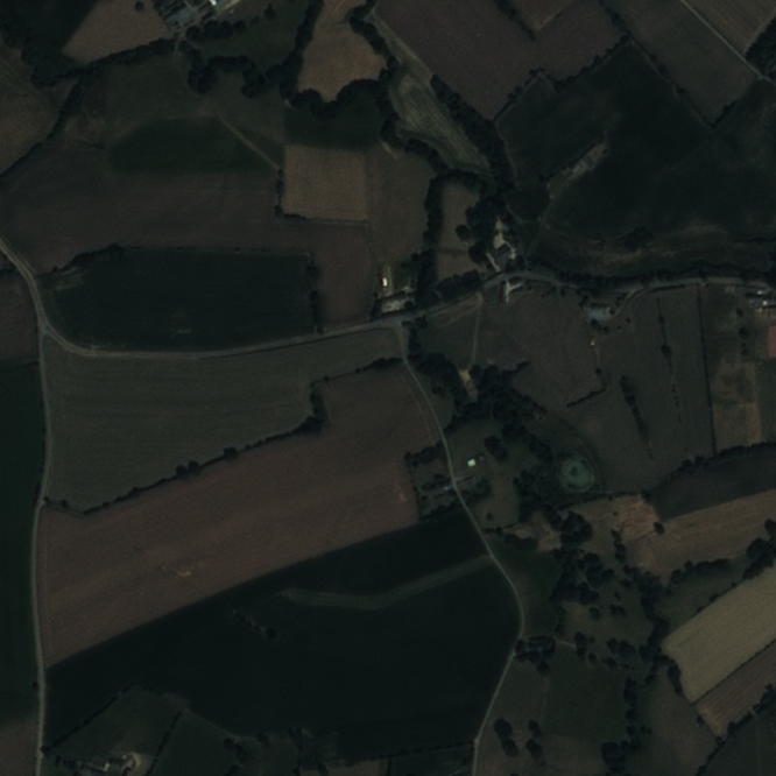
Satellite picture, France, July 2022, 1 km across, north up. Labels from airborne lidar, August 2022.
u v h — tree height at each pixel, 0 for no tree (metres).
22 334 0
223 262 0
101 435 0
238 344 0
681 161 0
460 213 0
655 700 0
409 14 0
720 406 0
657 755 0
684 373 0
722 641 0
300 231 0
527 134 0
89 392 0
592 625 0
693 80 0
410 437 0
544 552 0
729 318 0
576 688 0
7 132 0
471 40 0
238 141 0
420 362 14
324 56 0
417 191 0
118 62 11
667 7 0
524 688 0
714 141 0
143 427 0
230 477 0
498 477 0
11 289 0
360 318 0
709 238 0
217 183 0
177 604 0
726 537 0
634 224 0
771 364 0
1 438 0
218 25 14
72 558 0
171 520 0
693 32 0
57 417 0
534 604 0
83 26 0
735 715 0
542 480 6
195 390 0
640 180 0
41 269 0
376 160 0
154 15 0
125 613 0
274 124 0
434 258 12
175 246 0
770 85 0
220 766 0
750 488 0
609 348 0
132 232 0
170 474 0
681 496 0
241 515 0
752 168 0
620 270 0
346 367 0
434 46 0
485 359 0
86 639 0
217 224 0
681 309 0
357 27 14
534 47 0
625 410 0
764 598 0
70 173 0
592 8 0
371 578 0
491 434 0
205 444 0
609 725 0
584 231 0
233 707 0
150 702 0
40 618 0
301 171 0
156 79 0
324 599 0
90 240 0
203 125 0
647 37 0
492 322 0
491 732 0
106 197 0
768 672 0
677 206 0
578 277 10
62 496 0
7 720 0
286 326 0
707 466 12
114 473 0
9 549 0
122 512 0
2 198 0
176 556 0
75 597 0
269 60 0
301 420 0
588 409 0
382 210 0
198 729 0
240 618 7
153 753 0
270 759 0
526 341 0
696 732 0
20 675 0
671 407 0
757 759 0
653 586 24
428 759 0
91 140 0
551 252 0
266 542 0
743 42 0
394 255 0
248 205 0
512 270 10
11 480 0
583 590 20
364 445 0
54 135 6
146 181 0
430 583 0
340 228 0
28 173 0
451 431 9
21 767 0
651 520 0
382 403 0
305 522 0
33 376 0
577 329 0
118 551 0
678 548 0
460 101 15
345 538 0
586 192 0
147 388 0
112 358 0
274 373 0
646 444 0
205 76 14
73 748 0
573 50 0
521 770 0
